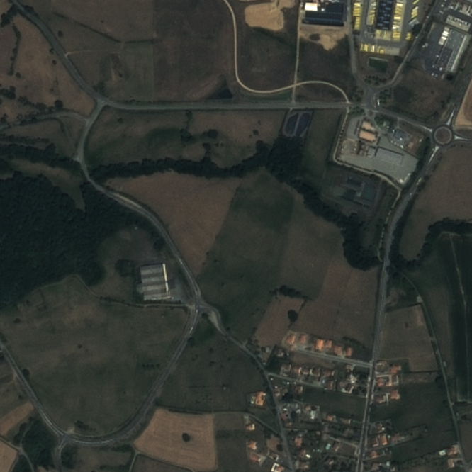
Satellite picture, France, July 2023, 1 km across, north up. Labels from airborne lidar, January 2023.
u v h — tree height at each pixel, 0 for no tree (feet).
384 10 0
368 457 0
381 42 0
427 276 0
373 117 0
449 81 0
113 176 59
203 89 0
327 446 0
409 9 0
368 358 0
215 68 0
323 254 0
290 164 73
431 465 0
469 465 0
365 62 0
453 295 0
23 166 0
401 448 0
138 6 0
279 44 0
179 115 0
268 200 0
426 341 0
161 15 0
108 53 0
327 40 0
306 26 0
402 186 0
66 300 0
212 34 0
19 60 0
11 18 52
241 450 0
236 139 0
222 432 0
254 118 0
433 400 0
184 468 0
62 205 54
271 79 0
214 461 0
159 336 0
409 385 0
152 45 0
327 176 0
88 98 0
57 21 0
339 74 0
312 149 0
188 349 0
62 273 21
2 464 0
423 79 0
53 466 19
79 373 0
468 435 0
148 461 0
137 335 0
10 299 48
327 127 0
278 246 0
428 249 54
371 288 0
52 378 0
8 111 0
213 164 57
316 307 0
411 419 0
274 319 0
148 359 0
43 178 50
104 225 52
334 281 0
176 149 0
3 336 0
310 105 0
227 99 0
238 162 0
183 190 0
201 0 0
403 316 0
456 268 0
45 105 44
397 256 45
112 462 0
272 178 0
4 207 73
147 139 0
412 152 0
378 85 26
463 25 0
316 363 0
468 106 0
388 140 0
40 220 49
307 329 0
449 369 0
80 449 0
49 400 0
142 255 0
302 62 0
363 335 0
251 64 0
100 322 0
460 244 0
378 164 0
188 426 0
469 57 0
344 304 0
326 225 0
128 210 28
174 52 0
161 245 51
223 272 0
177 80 0
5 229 62
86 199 62
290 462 0
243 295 0
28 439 28
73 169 62
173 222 0
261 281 0
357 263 75
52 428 0
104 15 0
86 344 0
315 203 108
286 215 0
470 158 0
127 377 0
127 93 0
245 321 0
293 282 0
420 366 0
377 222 0
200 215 0
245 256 0
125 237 0
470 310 0
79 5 0
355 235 46
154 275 0
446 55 0
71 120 0
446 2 0
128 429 0
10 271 53
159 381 0
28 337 0
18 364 0
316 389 0
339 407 0
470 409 0
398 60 28
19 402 0
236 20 0
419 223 0
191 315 0
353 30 0
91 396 0
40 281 53
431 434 0
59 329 0
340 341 0
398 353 0
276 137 0
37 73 0
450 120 0
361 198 0
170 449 0
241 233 0
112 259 0
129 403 0
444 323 0
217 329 0
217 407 0
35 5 0
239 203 0
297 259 0
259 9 0
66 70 0
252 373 0
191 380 0
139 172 50
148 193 0
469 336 0
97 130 0
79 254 36
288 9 0
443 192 0
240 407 0
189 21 0
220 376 0
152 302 21
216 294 0
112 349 0
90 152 0
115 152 0
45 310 0
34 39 0
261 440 0
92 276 51
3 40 0
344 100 0
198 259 0
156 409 0
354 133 0
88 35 0
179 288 0
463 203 0
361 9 0
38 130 0
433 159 0
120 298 0
